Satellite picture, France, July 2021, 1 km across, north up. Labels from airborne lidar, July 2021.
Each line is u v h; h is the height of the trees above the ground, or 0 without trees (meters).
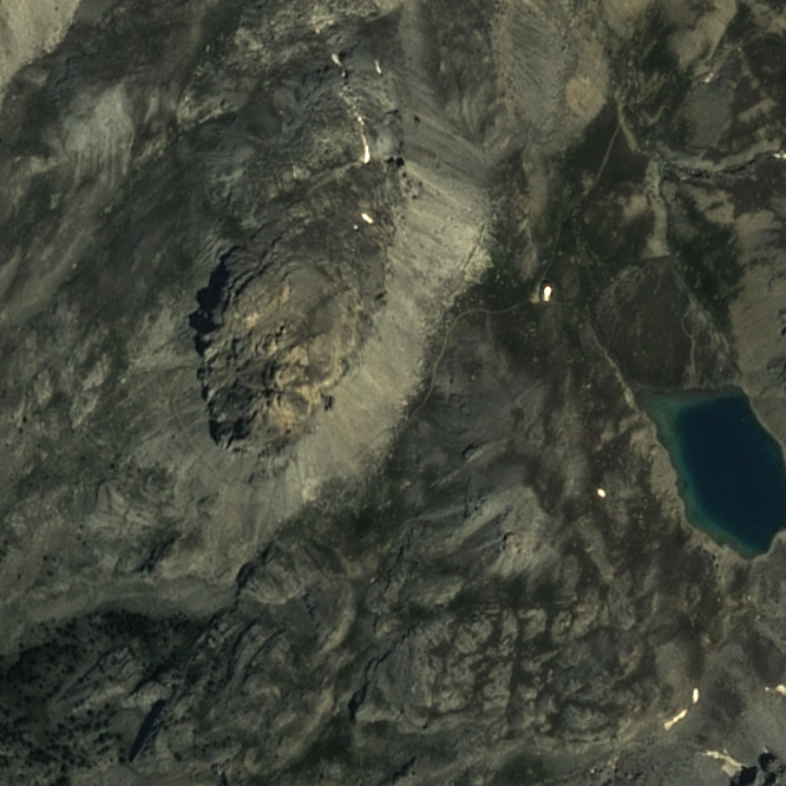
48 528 0
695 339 0
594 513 0
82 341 0
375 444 0
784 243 0
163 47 0
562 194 0
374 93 0
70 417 0
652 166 0
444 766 0
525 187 0
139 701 0
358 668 0
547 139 0
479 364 0
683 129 0
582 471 0
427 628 0
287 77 0
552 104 0
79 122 0
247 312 0
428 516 0
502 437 0
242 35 0
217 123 0
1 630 0
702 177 0
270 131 0
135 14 0
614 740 0
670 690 0
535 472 0
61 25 0
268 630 0
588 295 0
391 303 0
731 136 0
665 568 0
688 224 0
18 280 0
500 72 0
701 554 0
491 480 0
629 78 0
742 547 0
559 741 0
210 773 0
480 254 0
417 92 0
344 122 0
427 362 0
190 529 0
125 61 0
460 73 0
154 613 0
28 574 0
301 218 0
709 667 0
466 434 0
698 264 0
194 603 0
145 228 0
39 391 0
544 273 0
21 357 0
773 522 0
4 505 0
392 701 0
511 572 0
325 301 0
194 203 0
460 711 0
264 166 0
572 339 0
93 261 0
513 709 0
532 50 0
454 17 0
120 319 0
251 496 0
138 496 0
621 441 0
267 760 0
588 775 0
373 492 0
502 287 0
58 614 0
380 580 0
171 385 0
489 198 0
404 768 0
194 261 0
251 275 0
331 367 0
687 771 0
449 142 0
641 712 0
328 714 0
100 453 0
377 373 0
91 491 0
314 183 0
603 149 0
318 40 0
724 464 0
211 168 0
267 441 0
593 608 0
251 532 0
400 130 0
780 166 0
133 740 0
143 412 0
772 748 0
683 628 0
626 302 0
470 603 0
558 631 0
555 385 0
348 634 0
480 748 0
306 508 0
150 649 0
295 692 0
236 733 0
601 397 0
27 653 9
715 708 0
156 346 0
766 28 0
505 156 0
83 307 0
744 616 0
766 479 0
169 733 0
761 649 0
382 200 0
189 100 0
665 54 0
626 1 0
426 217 0
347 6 0
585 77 0
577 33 0
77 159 0
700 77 0
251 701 0
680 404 0
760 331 0
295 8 0
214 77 0
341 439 0
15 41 0
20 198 0
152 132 0
